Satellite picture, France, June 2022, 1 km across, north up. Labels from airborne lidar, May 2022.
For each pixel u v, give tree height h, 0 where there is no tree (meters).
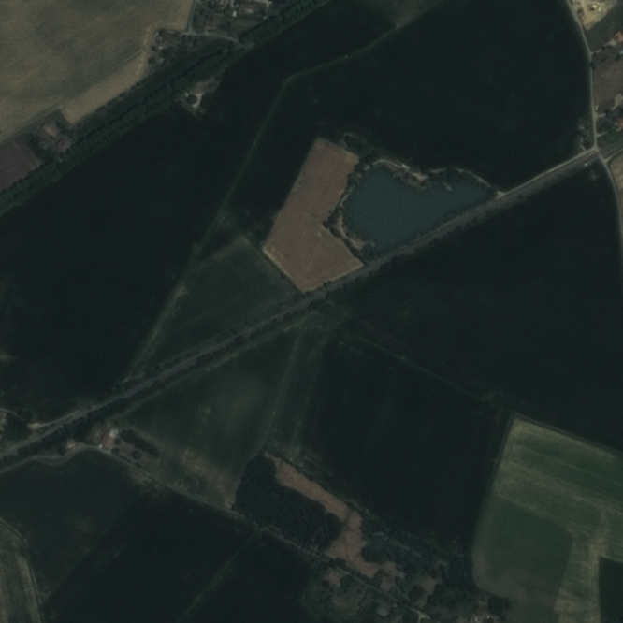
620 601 0
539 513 0
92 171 0
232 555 0
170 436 0
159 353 0
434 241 8
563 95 0
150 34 0
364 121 0
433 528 0
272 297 0
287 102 0
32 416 9
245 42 21
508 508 0
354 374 0
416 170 0
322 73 0
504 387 0
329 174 0
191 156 0
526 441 0
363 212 0
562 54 0
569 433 0
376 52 0
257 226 0
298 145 0
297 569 0
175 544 0
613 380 0
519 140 0
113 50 0
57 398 0
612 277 0
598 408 0
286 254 0
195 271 0
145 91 0
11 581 0
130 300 0
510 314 0
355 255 14
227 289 0
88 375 0
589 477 0
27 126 0
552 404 0
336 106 0
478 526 0
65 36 0
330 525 20
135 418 0
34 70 0
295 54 0
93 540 0
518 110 0
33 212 0
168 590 0
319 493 0
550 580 0
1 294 0
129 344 0
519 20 0
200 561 0
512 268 0
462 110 0
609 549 0
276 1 7
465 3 0
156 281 0
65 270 0
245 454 0
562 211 0
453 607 8
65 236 0
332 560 9
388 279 0
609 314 0
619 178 0
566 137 0
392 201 0
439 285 0
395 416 0
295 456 0
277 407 0
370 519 9
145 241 0
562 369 0
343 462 0
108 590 0
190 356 6
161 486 0
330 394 0
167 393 0
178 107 0
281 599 0
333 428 0
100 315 0
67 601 0
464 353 0
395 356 0
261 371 0
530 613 0
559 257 0
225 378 0
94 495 0
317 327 0
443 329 0
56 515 0
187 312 0
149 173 0
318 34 0
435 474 0
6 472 0
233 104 0
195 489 0
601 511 0
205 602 0
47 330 0
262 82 0
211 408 0
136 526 0
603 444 0
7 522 0
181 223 0
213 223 0
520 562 0
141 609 0
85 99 0
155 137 0
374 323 0
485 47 0
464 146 0
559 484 0
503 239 0
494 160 0
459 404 0
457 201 0
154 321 0
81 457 0
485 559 0
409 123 0
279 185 0
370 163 19
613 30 0
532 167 0
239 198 0
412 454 0
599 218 0
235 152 0
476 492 0
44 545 0
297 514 24
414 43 0
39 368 0
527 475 0
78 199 0
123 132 16
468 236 0
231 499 0
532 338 0
